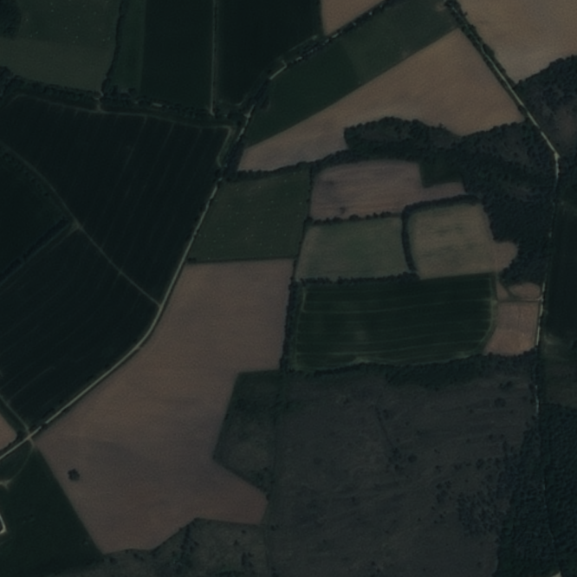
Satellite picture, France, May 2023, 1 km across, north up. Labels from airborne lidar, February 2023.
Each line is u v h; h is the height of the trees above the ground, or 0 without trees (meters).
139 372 0
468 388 0
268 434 0
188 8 0
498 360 8
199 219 7
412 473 0
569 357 0
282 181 0
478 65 0
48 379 0
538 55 0
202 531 0
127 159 0
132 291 0
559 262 0
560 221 0
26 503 0
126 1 8
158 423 0
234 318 0
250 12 0
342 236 0
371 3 0
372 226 0
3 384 0
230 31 0
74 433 0
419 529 0
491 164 10
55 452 0
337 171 0
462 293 0
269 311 0
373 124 7
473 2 0
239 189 0
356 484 0
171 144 0
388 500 0
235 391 0
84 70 0
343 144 0
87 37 0
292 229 0
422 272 0
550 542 11
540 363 16
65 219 8
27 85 11
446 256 0
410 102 0
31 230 0
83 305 0
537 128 11
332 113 0
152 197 0
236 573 7
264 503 0
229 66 0
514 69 0
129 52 0
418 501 0
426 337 0
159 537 0
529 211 15
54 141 0
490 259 0
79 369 0
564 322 0
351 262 0
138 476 0
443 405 0
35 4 0
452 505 0
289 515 0
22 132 0
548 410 14
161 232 0
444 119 0
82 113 0
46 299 0
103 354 0
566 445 25
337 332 0
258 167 0
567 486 33
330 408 0
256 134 0
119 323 0
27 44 0
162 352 0
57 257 0
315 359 0
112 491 0
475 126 0
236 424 0
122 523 0
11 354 0
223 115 9
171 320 0
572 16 0
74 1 0
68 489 0
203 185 0
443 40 0
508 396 0
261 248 0
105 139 0
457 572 0
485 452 0
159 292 0
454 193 0
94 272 0
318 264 0
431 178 0
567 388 0
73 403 0
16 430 0
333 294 0
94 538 0
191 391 0
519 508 12
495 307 0
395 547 0
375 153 11
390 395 0
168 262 0
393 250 0
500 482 6
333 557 0
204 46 0
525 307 0
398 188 0
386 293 0
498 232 15
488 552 0
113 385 0
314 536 0
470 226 0
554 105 10
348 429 0
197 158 0
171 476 0
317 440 0
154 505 0
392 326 0
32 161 0
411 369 10
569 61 7
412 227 0
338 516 0
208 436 0
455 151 10
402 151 12
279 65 0
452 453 0
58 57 0
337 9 0
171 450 0
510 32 0
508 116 0
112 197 0
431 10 0
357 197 0
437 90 0
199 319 0
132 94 12
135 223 0
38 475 0
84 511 0
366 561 0
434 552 0
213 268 0
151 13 0
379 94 0
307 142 0
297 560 0
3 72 12
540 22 0
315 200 0
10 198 0
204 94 0
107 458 0
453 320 0
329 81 0
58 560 0
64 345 0
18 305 0
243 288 0
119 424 0
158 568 0
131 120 0
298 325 0
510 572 13
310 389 0
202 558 0
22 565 0
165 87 0
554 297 0
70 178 0
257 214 0
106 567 0
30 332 0
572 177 17
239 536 0
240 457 0
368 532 0
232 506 0
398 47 0
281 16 0
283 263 0
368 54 0
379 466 0
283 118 0
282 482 0
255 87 0
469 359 7
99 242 0
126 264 0
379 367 11
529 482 6
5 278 15
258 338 0
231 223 0
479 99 0
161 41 0
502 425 0
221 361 0
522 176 11
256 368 0
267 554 0
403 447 0
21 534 0
